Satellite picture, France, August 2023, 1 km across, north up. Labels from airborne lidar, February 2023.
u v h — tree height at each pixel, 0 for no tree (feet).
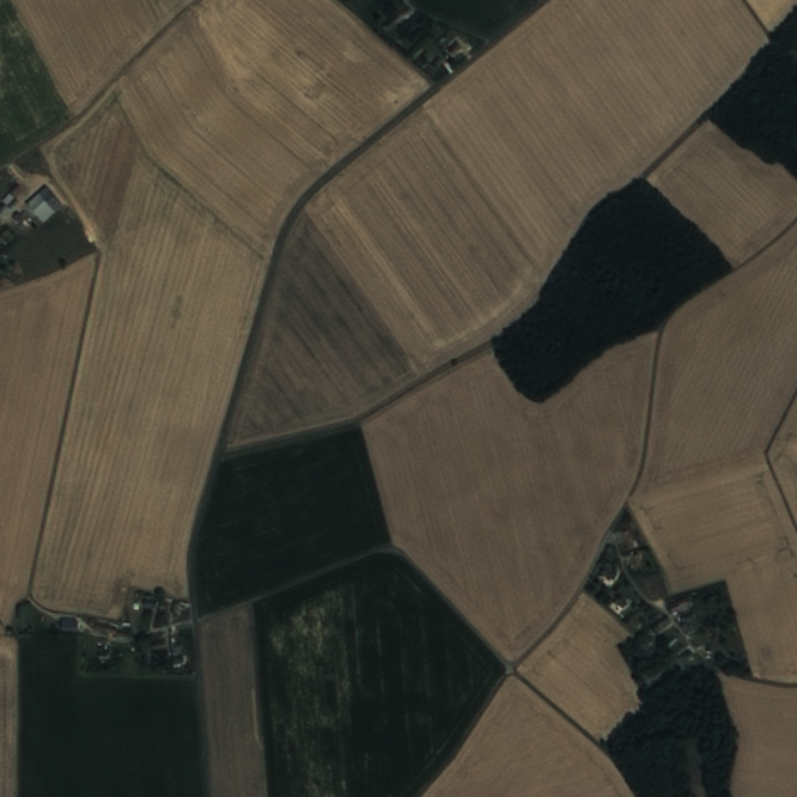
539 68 0
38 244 0
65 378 0
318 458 0
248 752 0
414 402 0
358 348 0
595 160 0
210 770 0
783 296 0
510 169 0
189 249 0
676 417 0
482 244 0
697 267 31
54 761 0
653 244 31
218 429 0
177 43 0
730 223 0
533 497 0
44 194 0
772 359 0
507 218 0
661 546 0
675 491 0
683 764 75
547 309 36
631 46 0
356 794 0
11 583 0
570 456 0
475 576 0
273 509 0
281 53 0
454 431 0
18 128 0
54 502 0
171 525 0
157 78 0
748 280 0
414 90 0
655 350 0
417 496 0
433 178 0
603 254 40
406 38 33
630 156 0
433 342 0
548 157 0
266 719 0
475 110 0
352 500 0
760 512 0
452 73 0
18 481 0
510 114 0
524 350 32
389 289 0
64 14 0
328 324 0
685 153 0
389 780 0
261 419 0
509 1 0
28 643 0
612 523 0
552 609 0
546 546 0
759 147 34
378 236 0
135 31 0
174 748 0
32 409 0
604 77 0
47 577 0
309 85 0
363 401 0
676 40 0
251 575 0
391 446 0
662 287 69
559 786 0
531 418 0
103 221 0
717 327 0
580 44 0
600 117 0
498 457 0
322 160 0
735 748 30
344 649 0
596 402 0
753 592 0
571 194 0
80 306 0
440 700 0
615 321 37
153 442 0
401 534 0
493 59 0
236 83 0
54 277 0
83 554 0
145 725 0
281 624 0
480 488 0
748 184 0
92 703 0
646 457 0
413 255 0
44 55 0
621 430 0
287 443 0
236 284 0
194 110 0
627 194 29
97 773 0
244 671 0
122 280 0
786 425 0
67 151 0
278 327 0
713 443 0
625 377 0
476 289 0
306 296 0
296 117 0
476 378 0
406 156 0
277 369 0
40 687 0
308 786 0
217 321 0
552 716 0
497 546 0
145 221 0
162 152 0
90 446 0
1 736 0
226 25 0
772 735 0
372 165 0
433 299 0
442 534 0
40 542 0
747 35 0
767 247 0
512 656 0
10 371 0
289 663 0
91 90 0
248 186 0
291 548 0
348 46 0
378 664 0
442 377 0
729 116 36
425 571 0
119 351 0
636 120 0
